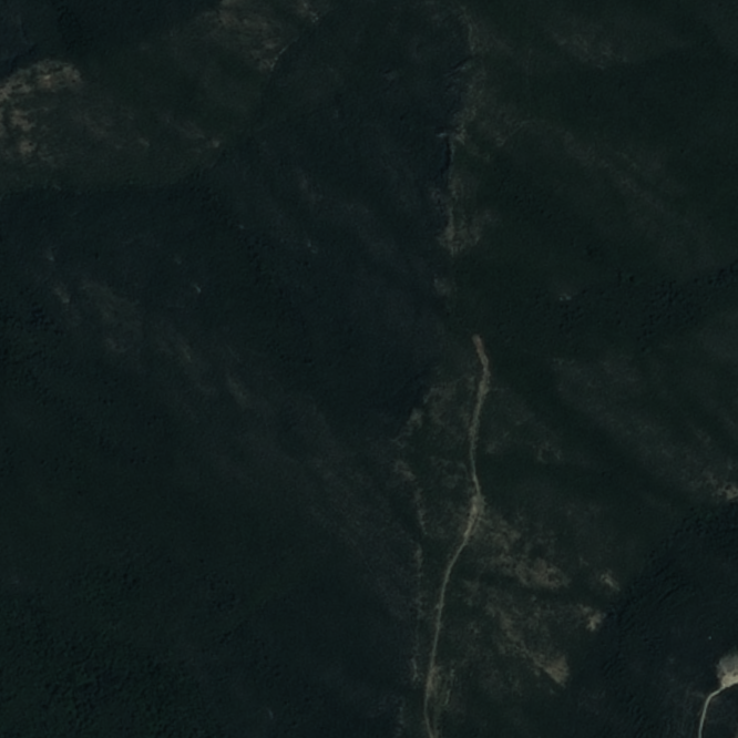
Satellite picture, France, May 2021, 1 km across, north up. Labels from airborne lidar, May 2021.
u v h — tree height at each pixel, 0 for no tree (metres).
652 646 8
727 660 0
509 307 8
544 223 8
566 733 6
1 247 7
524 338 5
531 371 5
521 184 7
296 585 6
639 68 6
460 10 0
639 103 5
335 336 6
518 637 0
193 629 6
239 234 9
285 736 6
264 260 7
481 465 7
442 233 0
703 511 7
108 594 9
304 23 6
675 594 13
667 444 0
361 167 6
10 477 6
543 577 0
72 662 9
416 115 6
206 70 0
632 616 7
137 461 7
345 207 0
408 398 5
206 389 0
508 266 8
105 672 11
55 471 8
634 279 15
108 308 0
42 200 6
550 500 0
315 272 5
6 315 13
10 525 5
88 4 5
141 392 6
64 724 8
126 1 6
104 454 7
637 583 12
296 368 6
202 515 6
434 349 0
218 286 6
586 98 6
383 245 0
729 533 15
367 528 0
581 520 0
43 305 5
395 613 0
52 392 7
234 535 6
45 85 0
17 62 6
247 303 7
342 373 6
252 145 8
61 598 6
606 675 9
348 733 5
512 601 0
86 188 6
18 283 6
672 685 0
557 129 0
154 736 7
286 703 10
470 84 0
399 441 0
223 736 16
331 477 0
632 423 0
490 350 6
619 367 0
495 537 0
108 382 7
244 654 9
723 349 0
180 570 7
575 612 0
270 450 0
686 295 6
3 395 6
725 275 18
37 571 6
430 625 0
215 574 7
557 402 6
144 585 7
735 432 0
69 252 6
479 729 7
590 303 6
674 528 7
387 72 9
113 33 5
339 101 7
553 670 0
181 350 0
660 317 7
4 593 7
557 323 5
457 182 0
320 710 6
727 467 0
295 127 5
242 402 0
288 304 8
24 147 0
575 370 0
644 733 12
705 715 0
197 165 7
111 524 6
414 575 0
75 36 12
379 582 0
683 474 0
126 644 8
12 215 7
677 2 7
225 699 6
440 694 0
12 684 6
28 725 8
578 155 0
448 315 8
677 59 5
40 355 10
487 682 0
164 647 8
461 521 0
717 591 6
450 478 0
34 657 8
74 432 8
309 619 6
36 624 7
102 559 6
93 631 9
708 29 7
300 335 6
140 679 12
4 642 11
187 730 11
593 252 20
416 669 0
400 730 0
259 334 5
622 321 11
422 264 0
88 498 6
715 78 6
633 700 9
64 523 5
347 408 6
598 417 0
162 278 5
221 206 9
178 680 10
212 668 6
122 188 6
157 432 6
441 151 6
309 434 0
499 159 7
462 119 0
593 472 6
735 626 6
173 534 5
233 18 0
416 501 0
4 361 20
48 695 7
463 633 0
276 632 6
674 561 8
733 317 0
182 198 8
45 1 7
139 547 6
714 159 6
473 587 0
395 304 0
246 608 6
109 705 7
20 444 5
